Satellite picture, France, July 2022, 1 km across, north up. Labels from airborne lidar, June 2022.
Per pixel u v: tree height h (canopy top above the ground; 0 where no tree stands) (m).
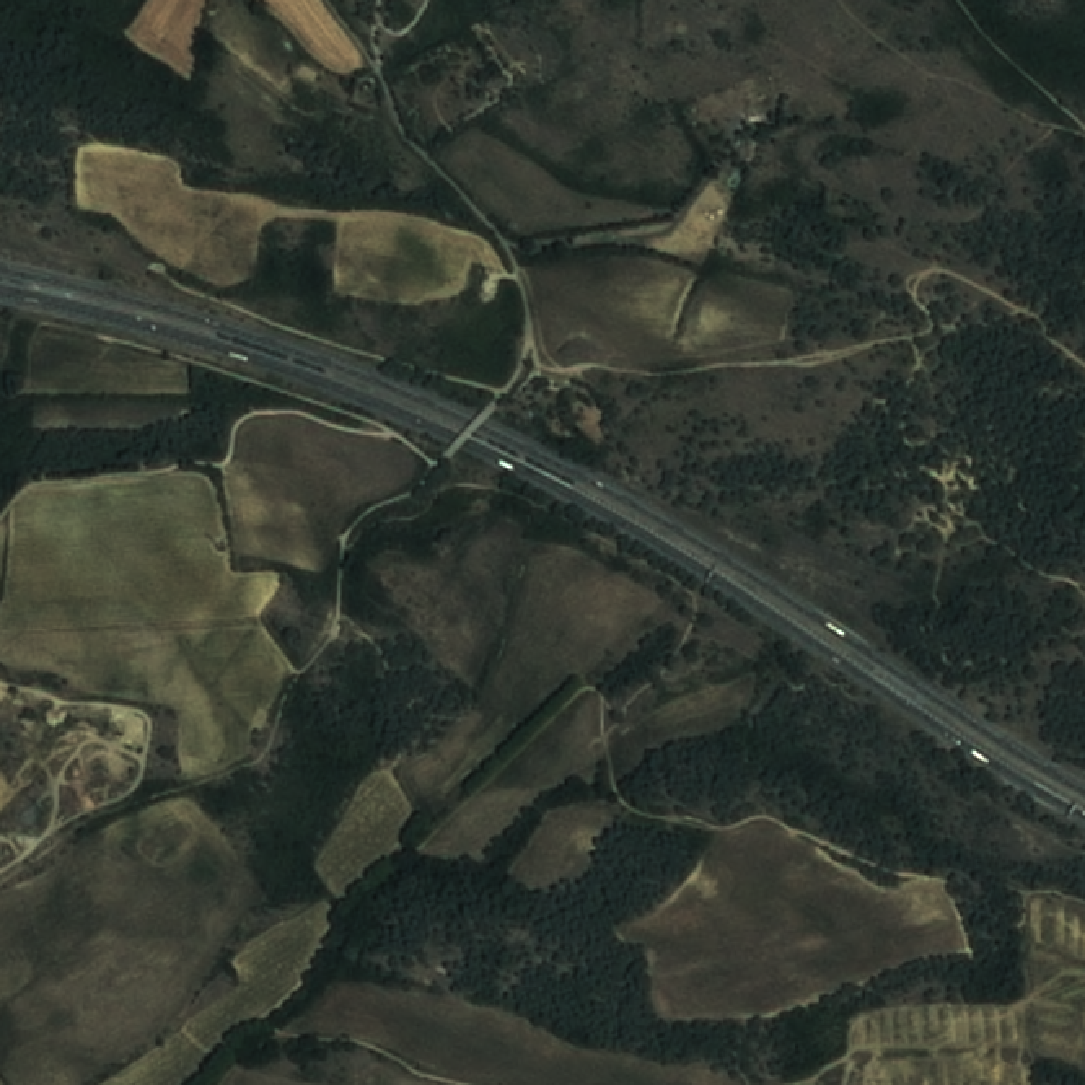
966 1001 8
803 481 12
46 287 0
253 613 0
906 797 10
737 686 0
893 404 14
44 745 0
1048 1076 11
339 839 0
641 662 8
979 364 15
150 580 0
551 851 0
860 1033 0
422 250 0
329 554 0
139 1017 0
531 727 16
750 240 5
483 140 0
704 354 0
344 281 0
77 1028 0
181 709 0
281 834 10
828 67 0
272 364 0
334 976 9
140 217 0
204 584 0
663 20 0
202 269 0
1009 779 0
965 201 9
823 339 9
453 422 0
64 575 0
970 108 0
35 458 8
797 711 9
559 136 0
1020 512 12
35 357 0
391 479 0
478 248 0
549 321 0
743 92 0
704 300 0
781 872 0
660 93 0
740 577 0
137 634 0
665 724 0
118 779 0
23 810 0
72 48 14
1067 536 14
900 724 0
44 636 0
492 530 0
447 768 0
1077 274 10
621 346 0
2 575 0
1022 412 13
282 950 0
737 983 0
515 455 10
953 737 0
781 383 0
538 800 12
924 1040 0
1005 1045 0
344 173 16
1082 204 9
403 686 15
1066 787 0
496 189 0
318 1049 8
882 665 0
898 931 0
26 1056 0
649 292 0
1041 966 0
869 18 0
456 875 19
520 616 0
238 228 0
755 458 12
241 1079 0
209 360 0
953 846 11
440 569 0
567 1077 0
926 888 0
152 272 5
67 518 0
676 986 0
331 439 0
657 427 0
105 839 0
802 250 6
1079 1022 0
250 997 0
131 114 16
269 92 0
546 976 13
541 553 0
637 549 13
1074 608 7
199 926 0
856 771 8
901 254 0
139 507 0
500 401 9
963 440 8
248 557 0
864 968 0
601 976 16
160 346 0
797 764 8
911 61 0
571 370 0
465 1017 0
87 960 0
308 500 0
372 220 0
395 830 0
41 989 0
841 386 9
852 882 0
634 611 0
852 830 12
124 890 0
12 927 0
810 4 0
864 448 15
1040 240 9
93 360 0
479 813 0
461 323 0
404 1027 0
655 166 0
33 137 15
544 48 0
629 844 16
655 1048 13
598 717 0
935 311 11
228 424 10
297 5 0
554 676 0
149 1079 0
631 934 0
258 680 0
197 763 0
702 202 0
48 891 0
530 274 0
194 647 0
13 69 15
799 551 0
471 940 12
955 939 0
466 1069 0
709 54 0
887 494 12
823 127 6
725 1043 12
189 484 0
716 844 0
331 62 0
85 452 10
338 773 9
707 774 13
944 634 14
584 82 0
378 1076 0
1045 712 12
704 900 0
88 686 0
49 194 13
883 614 11
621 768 0
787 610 0
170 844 0
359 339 0
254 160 0
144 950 0
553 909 12
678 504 12
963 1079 0
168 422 10
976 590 9
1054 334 10
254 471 0
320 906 0
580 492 0
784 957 0
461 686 8
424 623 0
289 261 7
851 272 10
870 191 0
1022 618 12
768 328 0
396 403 0
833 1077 0
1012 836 0
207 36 8
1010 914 9
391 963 12
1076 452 13
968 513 10
